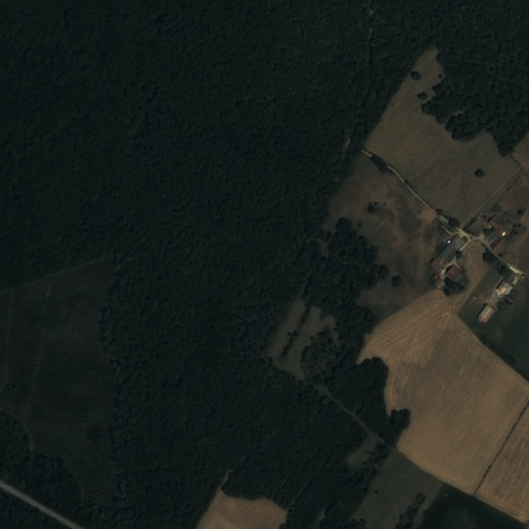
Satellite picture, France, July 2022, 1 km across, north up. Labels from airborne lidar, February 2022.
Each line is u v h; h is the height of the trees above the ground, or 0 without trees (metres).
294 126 23
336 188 19
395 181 0
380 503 0
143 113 25
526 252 0
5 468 23
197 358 26
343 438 17
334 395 18
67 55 25
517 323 0
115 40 26
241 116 21
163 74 24
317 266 14
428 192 0
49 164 21
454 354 0
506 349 0
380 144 0
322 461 9
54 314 0
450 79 14
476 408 0
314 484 16
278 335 0
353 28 17
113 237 21
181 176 22
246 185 21
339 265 21
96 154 23
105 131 24
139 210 19
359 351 11
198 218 19
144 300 19
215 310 25
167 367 20
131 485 25
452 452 0
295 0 18
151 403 21
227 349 23
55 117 22
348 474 19
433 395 0
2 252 27
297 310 0
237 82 21
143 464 25
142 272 20
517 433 0
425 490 0
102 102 25
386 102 12
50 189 21
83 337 0
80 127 29
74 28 27
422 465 0
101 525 20
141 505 22
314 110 22
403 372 0
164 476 24
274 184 20
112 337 20
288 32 18
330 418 23
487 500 0
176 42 22
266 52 18
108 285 0
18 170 26
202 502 21
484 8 16
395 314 0
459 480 0
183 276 19
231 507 0
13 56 22
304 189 21
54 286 0
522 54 19
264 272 22
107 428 0
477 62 18
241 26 23
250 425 19
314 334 0
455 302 0
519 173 0
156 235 22
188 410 23
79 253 25
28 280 26
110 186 23
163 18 28
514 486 0
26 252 24
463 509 0
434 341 0
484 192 0
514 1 19
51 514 0
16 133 24
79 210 23
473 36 13
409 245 0
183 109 23
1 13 22
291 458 17
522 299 0
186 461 20
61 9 21
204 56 22
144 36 21
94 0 23
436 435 0
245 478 18
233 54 22
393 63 20
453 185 0
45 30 21
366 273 14
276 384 15
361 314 23
